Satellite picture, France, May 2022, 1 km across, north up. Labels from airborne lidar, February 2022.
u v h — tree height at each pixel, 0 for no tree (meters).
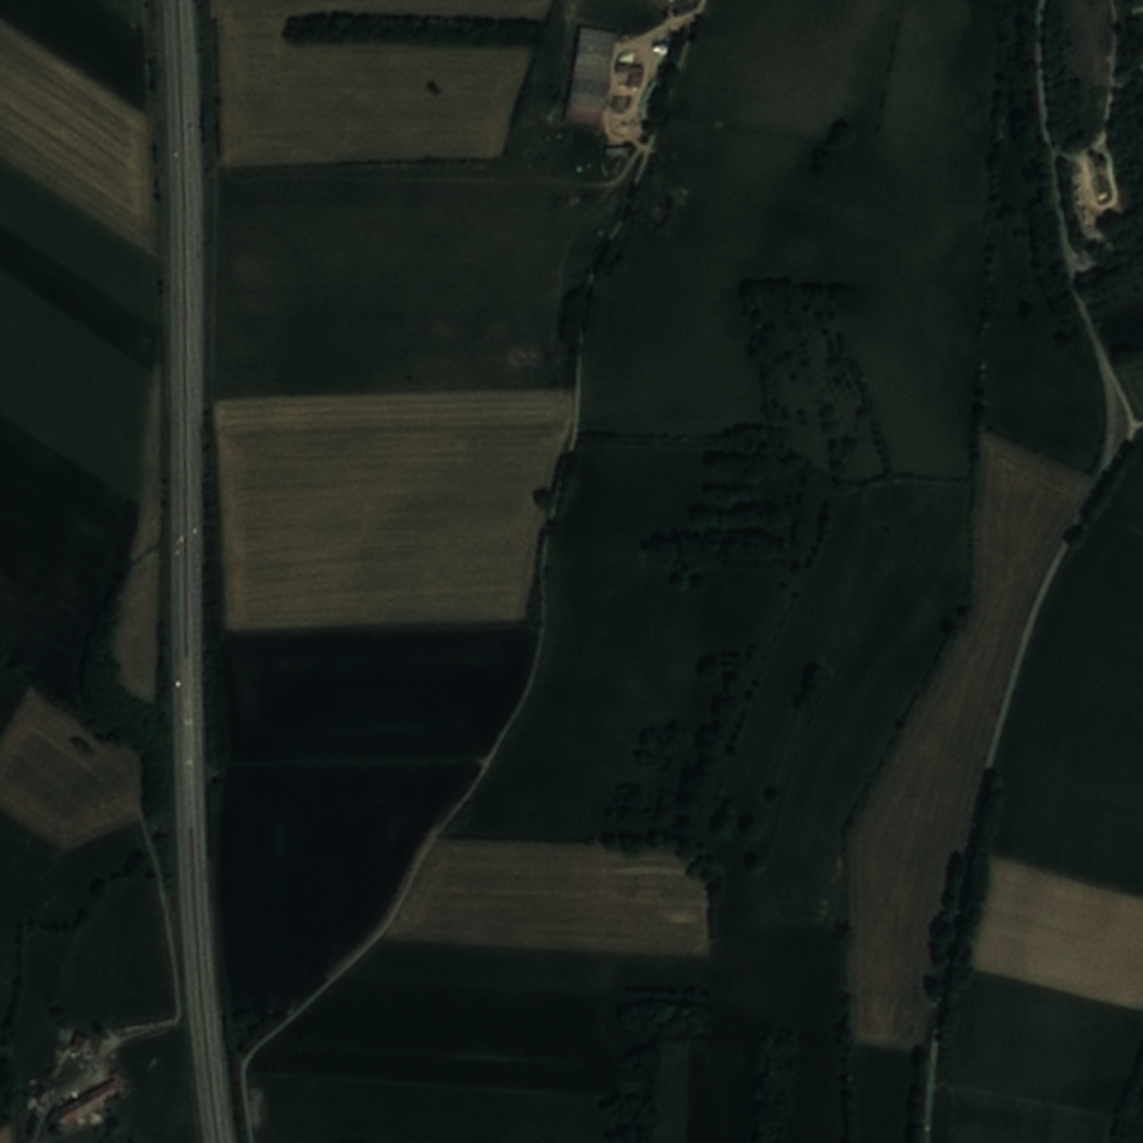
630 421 0
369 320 0
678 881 0
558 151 0
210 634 8
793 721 0
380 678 0
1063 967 0
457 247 0
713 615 0
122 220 0
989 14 0
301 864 0
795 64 0
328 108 0
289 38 8
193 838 0
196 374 0
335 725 0
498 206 0
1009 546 0
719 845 0
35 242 0
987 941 0
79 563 0
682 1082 0
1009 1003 0
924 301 0
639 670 0
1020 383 0
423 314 0
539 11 0
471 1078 0
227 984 0
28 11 0
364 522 0
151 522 0
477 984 0
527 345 0
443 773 0
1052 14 10
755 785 0
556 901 0
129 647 0
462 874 0
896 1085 0
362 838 0
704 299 0
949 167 0
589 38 0
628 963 0
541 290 0
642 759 6
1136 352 6
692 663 0
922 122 0
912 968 0
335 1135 0
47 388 0
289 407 0
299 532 0
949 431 0
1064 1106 0
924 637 0
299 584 0
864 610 0
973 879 16
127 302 0
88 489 0
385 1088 0
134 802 0
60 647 0
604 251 11
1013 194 0
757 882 0
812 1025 0
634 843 16
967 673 0
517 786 0
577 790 0
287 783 0
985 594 0
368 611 0
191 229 0
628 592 0
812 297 16
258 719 0
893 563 0
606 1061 0
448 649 0
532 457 0
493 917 0
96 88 0
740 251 0
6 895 0
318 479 0
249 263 0
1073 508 0
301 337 0
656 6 0
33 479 0
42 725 0
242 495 0
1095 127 0
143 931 0
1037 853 0
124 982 0
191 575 0
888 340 0
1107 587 0
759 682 0
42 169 0
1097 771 0
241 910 0
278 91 0
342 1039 0
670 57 10
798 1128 0
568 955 0
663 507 0
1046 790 0
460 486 0
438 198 0
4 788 0
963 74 0
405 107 0
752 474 20
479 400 0
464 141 0
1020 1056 0
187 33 0
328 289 0
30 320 0
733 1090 0
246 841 0
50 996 0
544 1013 0
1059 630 0
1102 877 0
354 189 0
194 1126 0
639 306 0
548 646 0
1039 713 0
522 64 0
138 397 0
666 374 0
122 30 0
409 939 0
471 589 0
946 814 0
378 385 0
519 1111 0
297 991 0
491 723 0
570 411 0
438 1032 0
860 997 0
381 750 0
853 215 0
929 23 0
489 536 0
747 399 0
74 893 0
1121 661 0
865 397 6
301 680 0
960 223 0
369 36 6
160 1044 0
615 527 0
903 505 0
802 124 0
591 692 0
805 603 0
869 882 0
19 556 0
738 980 0
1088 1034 0
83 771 0
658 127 14
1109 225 12
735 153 0
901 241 0
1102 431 0
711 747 20
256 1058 0
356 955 0
